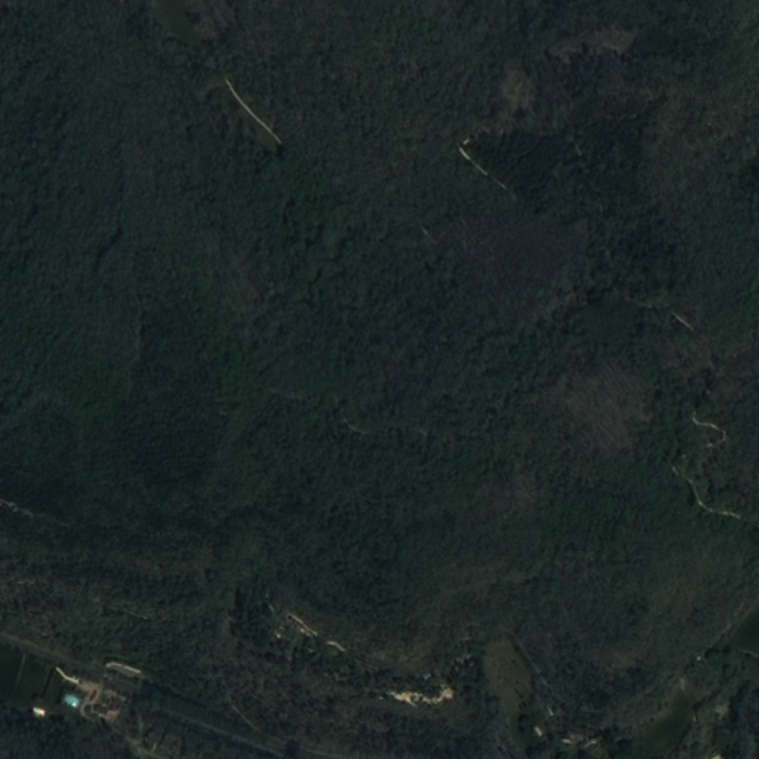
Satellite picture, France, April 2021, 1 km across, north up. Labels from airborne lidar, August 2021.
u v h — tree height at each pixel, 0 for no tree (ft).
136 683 31
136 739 57
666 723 0
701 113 40
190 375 33
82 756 37
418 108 42
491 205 66
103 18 46
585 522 61
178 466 28
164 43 66
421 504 41
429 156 37
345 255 77
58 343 68
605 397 61
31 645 46
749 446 56
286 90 37
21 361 74
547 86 48
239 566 72
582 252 68
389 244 59
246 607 63
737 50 44
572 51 0
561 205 59
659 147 63
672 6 24
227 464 47
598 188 38
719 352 60
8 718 42
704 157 73
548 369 62
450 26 35
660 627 60
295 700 57
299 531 37
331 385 47
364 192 50
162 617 37
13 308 55
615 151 45
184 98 61
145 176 42
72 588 45
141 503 48
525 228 68
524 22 73
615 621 41
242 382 67
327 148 51
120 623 60
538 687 53
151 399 38
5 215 73
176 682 45
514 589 58
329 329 61
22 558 43
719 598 63
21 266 48
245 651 45
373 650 20
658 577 45
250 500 56
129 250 36
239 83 52
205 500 41
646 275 52
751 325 44
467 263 69
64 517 38
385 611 34
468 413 36
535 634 53
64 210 69
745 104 43
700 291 61
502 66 59
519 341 43
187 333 41
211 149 58
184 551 52
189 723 123
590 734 40
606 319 42
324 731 34
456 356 49
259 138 57
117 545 43
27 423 31
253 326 65
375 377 69
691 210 85
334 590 41
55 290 60
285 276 87
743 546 56
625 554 64
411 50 33
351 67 40
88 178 59
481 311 64
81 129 67
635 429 51
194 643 56
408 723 57
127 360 40
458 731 59
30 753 63
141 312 31
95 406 61
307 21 39
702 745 59
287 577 39
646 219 31
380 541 38
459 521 47
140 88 48
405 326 58
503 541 51
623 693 38
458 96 51
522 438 58
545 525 68
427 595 51
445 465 42
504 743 48
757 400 60
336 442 46
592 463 39
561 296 32
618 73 61
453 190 60
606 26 57
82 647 64
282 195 84
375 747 81
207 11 45
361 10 41
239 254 59
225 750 74
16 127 55
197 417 29
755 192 89
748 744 55
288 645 19
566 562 57
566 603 55
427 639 40
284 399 59
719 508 66
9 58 77
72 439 34
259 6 46
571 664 36
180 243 48
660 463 60
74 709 0
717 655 55
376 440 35
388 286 51
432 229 63
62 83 65
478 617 62
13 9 59
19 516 29
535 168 49
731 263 54
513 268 69
